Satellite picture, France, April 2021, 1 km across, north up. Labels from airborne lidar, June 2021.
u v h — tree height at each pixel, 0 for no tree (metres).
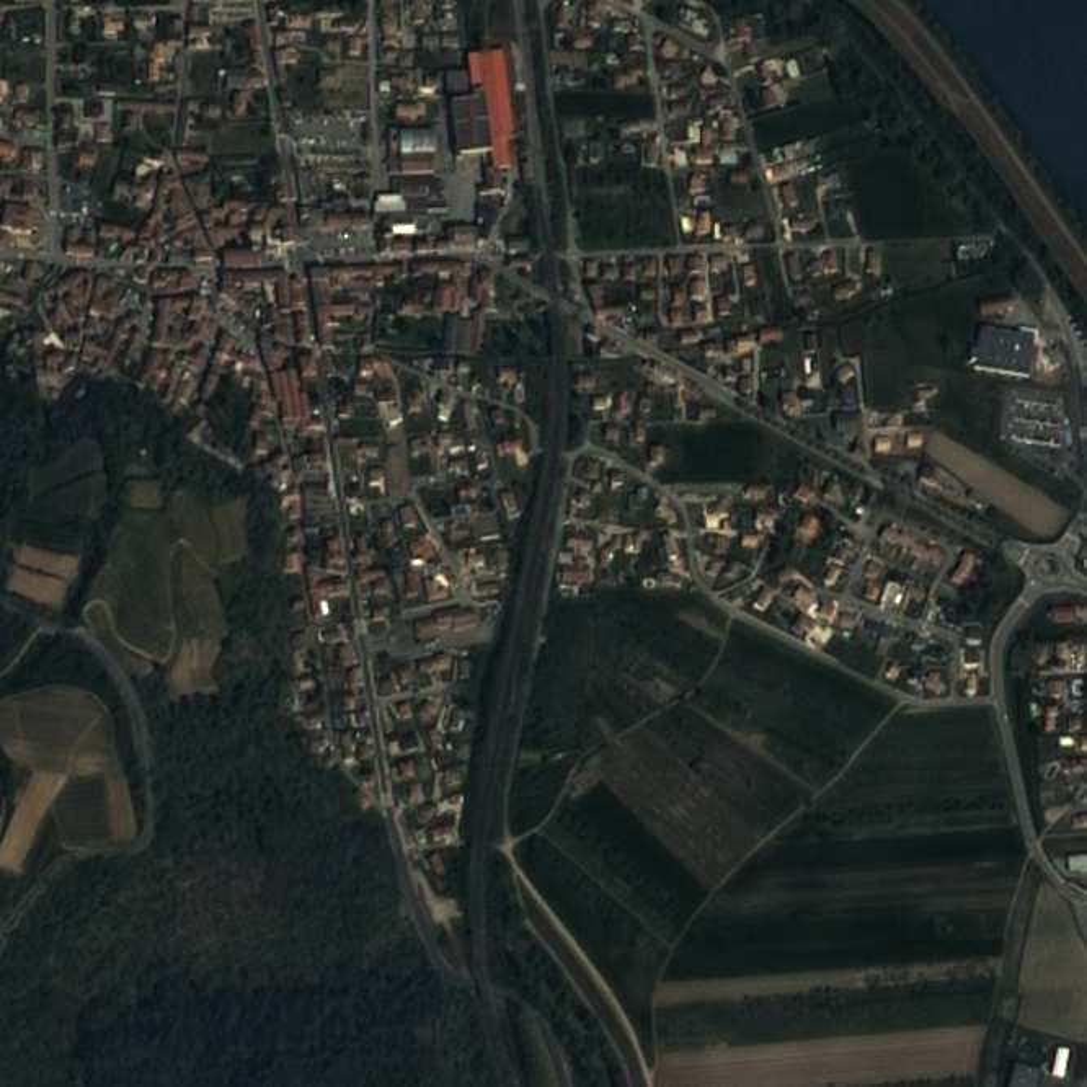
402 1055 12
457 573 0
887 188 0
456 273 0
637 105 0
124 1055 13
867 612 0
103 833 0
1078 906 0
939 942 0
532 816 0
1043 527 0
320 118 9
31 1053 14
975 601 10
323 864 14
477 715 8
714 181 8
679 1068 0
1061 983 0
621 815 0
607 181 6
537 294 0
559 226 8
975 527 13
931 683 0
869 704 0
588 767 0
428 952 16
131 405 10
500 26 0
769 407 16
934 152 7
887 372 0
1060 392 0
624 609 0
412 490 0
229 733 15
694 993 0
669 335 0
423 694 0
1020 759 0
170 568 0
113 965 12
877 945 0
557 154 9
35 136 0
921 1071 0
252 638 7
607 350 0
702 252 0
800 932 0
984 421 0
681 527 0
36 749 0
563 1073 0
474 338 0
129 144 9
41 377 0
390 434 0
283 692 10
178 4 0
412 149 0
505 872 18
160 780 13
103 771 0
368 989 27
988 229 14
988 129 0
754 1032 0
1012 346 0
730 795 0
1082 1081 0
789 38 7
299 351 9
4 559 0
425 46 6
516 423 10
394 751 0
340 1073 14
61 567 0
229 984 33
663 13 10
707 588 0
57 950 7
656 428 0
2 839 0
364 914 9
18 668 6
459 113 0
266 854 12
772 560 10
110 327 0
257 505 10
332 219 0
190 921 7
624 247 0
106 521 13
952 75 0
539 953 9
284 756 11
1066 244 0
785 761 0
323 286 0
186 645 0
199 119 8
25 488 7
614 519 0
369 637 0
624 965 0
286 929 7
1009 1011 0
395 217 0
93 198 0
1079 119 0
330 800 9
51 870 0
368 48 0
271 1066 14
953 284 8
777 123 0
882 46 12
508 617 10
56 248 0
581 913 0
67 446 17
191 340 0
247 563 6
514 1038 9
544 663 11
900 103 17
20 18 6
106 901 6
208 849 6
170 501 8
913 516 8
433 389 0
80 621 16
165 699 6
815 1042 0
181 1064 13
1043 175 7
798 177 0
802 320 6
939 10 0
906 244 0
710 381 0
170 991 10
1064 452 0
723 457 0
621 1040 0
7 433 16
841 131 0
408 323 8
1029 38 0
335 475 0
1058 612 0
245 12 0
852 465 13
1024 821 0
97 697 0
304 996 23
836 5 6
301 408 0
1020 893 0
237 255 0
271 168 16
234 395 0
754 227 0
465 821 6
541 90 9
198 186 0
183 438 19
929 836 0
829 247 0
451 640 0
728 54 0
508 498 0
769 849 0
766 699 0
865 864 0
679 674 0
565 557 0
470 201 0
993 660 0
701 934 0
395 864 6
